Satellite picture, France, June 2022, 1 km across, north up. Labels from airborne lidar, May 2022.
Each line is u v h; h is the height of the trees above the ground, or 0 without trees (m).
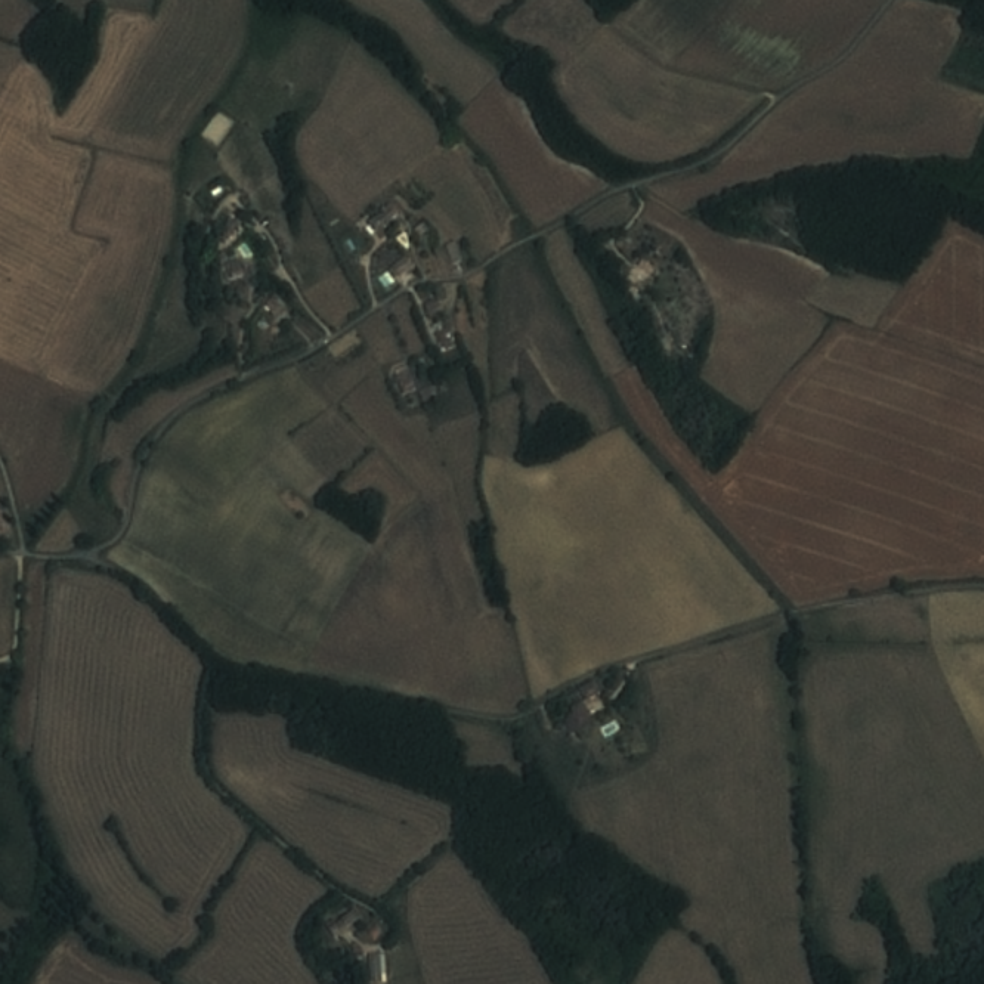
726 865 0
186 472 0
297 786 0
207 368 16
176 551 0
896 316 0
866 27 0
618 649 0
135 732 0
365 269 0
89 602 0
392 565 0
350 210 0
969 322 0
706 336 8
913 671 0
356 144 0
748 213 6
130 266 0
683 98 0
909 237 15
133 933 0
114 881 0
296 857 14
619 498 0
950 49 0
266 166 0
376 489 10
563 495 0
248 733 0
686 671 0
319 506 12
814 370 0
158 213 0
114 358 0
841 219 14
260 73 0
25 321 0
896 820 0
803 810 25
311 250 0
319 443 0
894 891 0
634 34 0
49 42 20
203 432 0
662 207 0
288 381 0
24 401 0
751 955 0
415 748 19
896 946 21
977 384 0
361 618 0
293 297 13
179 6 0
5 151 0
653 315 9
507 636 0
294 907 0
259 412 0
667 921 17
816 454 0
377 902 10
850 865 0
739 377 0
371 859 0
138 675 0
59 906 8
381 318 0
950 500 0
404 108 0
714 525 0
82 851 0
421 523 0
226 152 0
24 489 0
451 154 0
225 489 0
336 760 12
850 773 0
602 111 0
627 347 13
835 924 0
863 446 0
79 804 0
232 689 21
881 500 0
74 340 0
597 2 15
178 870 0
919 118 0
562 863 16
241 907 0
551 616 0
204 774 12
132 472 0
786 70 0
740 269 0
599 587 0
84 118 0
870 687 0
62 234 0
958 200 18
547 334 0
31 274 0
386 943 14
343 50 0
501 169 0
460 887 0
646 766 0
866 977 0
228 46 0
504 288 0
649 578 0
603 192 0
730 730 0
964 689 0
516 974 0
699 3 0
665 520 0
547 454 13
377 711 21
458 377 0
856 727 0
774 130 0
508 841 20
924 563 0
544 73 17
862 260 14
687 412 7
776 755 0
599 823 0
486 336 0
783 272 0
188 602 0
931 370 0
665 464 0
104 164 0
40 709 0
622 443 0
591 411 0
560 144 5
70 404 0
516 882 9
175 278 0
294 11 19
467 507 0
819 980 17
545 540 0
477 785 20
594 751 0
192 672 0
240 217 16
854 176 17
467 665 0
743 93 0
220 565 0
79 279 0
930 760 0
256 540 0
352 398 0
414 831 0
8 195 0
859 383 0
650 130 0
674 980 0
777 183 13
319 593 0
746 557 0
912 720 0
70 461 0
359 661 0
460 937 0
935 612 0
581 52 0
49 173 0
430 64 0
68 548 0
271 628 0
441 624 0
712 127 0
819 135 0
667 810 0
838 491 0
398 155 0
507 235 0
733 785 0
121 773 0
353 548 0
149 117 0
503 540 0
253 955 0
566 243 0
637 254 9
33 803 13
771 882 0
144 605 9
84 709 0
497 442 0
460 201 0
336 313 0
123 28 0
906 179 20
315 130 0
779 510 0
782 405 0
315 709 19
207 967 0
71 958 0
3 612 0
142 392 16
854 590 9
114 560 0
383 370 0
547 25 0
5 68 0
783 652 17
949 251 0
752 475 0
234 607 0
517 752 12
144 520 0
